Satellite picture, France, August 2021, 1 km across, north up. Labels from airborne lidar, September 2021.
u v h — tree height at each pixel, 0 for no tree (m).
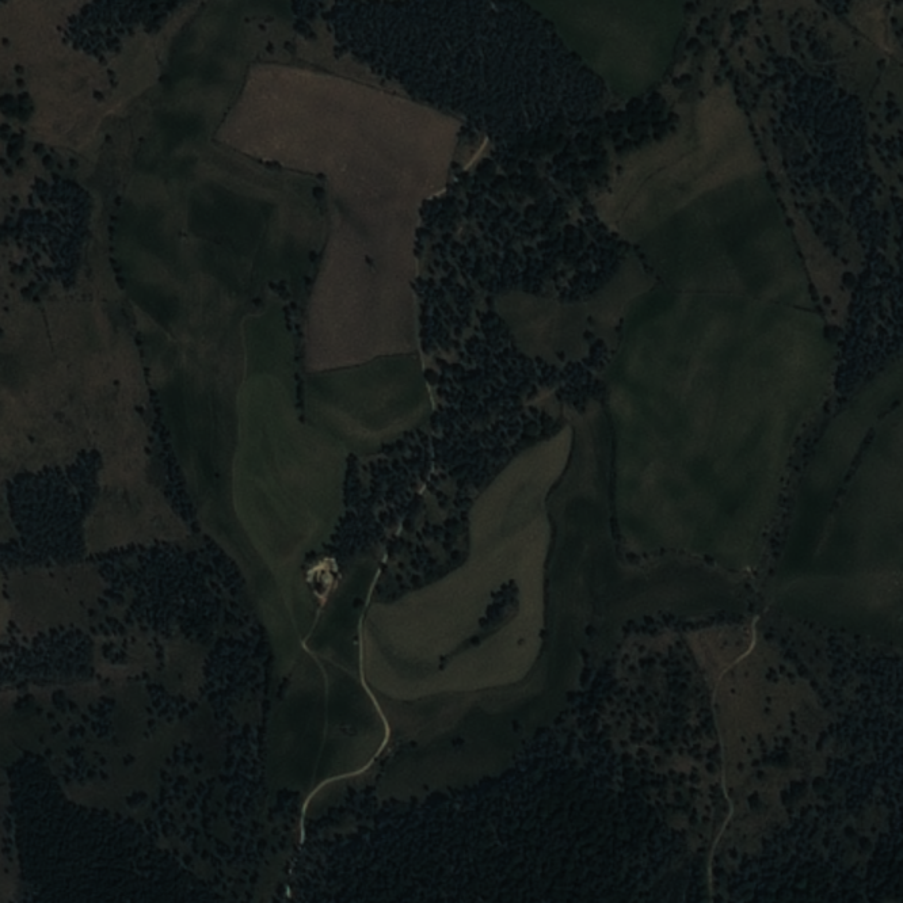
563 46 14
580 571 0
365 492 12
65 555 14
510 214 12
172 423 0
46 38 0
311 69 0
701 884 11
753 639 0
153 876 13
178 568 15
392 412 0
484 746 0
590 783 19
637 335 0
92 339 0
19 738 0
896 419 0
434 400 0
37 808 12
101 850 11
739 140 0
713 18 6
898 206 12
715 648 0
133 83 0
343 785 0
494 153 10
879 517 0
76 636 12
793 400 0
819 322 0
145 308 0
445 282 12
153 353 0
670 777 6
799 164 10
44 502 15
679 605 0
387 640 0
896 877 12
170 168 0
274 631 0
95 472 17
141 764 0
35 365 0
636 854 14
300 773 0
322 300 0
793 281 0
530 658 0
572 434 0
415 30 18
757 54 0
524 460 0
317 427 0
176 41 0
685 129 0
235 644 16
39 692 0
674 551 0
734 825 0
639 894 7
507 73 16
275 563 0
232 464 0
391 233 0
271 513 0
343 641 0
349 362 0
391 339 0
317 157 0
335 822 12
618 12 0
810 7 0
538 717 0
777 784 0
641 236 0
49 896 10
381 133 0
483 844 17
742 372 0
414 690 0
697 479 0
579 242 13
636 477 0
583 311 0
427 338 14
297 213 0
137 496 0
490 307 12
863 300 8
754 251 0
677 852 13
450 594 0
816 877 8
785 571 0
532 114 17
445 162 0
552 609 0
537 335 0
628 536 0
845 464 0
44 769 14
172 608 19
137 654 0
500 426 12
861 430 0
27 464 0
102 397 0
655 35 0
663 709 11
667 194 0
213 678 17
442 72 15
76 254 17
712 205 0
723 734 0
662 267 0
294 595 0
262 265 0
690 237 0
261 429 0
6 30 0
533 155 16
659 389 0
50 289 0
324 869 16
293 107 0
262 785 12
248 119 0
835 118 17
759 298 0
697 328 0
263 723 7
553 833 19
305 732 0
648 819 13
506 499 0
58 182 17
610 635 0
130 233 0
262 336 0
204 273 0
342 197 0
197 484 0
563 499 0
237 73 0
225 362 0
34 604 0
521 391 12
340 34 13
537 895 12
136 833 14
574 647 0
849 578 0
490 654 0
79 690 0
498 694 0
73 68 0
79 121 0
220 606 18
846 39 0
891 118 9
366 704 0
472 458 13
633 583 0
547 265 13
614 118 13
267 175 0
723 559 0
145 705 0
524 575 0
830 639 7
